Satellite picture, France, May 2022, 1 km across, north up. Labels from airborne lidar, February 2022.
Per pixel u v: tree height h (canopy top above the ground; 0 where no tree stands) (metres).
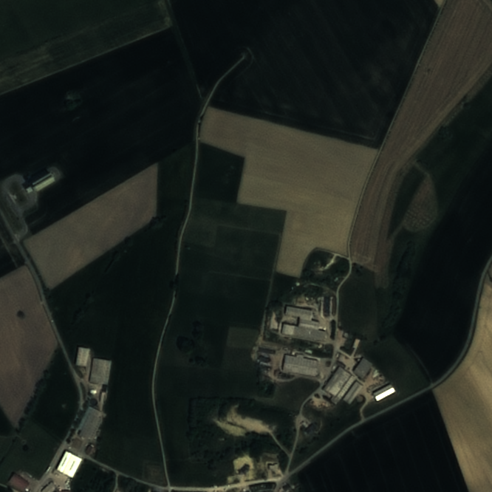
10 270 0
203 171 0
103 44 0
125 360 0
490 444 0
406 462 0
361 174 0
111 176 0
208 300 0
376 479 0
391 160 0
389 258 0
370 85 0
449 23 0
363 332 0
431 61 0
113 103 0
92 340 0
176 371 0
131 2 0
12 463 0
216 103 0
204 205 0
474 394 0
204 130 0
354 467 0
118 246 0
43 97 0
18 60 0
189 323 0
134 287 0
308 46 0
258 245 0
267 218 0
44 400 0
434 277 0
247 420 0
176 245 6
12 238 0
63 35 0
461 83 0
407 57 0
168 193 0
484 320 0
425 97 0
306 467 0
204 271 0
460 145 0
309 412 0
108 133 0
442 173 0
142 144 0
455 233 0
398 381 0
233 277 0
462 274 0
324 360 0
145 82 0
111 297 0
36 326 0
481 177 0
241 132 0
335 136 0
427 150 0
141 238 0
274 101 0
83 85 0
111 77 0
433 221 0
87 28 0
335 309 0
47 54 0
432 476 0
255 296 0
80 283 0
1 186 0
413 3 0
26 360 0
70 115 0
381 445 0
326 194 0
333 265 0
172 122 0
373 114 0
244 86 0
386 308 0
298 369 0
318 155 0
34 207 0
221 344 0
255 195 0
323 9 0
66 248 0
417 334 0
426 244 0
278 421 0
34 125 0
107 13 0
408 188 0
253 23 0
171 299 0
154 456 0
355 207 0
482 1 0
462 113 0
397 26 0
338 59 0
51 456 0
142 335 0
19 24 0
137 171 0
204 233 0
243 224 0
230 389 0
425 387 0
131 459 0
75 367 0
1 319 0
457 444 0
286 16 0
